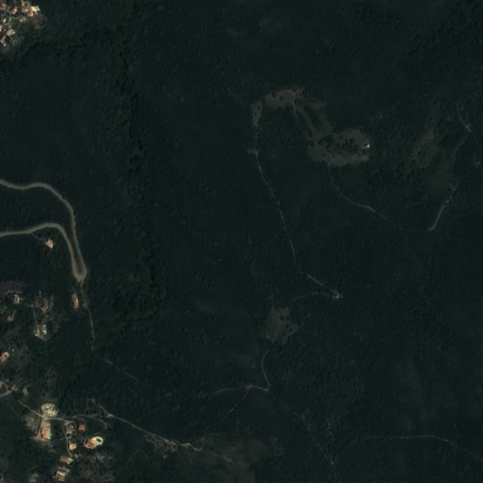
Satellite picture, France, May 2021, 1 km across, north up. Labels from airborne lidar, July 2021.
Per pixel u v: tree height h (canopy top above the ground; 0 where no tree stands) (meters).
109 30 18
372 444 8
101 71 9
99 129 6
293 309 7
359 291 7
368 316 12
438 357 6
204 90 7
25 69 7
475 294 5
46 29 9
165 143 6
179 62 6
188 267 5
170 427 6
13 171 6
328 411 7
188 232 7
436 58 11
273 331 0
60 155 6
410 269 10
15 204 10
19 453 6
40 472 6
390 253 7
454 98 8
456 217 6
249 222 6
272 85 8
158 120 8
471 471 7
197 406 6
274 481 7
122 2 8
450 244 7
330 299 7
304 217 7
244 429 8
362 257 6
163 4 11
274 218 5
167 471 9
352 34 10
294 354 10
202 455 0
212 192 11
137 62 11
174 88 9
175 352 16
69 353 6
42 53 8
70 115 9
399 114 6
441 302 6
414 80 7
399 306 8
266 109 7
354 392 11
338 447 6
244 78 6
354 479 7
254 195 6
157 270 24
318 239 6
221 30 6
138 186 17
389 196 8
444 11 15
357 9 10
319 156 0
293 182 6
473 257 7
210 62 6
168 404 8
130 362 7
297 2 6
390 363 7
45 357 9
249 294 6
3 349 8
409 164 10
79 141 6
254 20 6
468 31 9
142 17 12
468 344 6
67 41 7
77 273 0
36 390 0
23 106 6
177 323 6
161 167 10
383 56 6
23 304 6
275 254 6
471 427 9
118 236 6
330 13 6
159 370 9
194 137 6
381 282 6
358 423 8
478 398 7
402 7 6
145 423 6
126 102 8
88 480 6
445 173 0
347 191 7
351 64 6
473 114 6
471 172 6
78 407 8
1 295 8
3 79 7
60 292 7
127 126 16
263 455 0
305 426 6
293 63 6
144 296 12
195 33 6
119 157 7
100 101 10
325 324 6
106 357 11
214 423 6
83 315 6
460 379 7
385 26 9
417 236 7
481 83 10
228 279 6
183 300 6
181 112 6
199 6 5
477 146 6
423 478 8
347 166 6
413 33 10
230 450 0
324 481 8
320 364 10
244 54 6
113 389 7
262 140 6
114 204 11
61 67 8
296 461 8
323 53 8
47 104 5
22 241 8
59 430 8
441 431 6
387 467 7
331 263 8
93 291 8
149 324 10
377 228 8
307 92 8
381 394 6
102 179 9
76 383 12
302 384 6
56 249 11
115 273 5
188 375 7
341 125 6
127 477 6
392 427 6
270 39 5
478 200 13
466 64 9
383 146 8
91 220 7
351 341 7
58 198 11
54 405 0
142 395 6
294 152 5
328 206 8
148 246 16
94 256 8
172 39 7
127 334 6
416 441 7
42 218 7
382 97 6
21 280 10
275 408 6
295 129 7
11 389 6
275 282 7
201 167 6
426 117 11
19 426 0
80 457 6
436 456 10
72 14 7
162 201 8
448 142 5
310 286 6
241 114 7
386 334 12
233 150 6
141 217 19
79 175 6
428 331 8
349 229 6
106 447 8
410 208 7
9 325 9
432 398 6
